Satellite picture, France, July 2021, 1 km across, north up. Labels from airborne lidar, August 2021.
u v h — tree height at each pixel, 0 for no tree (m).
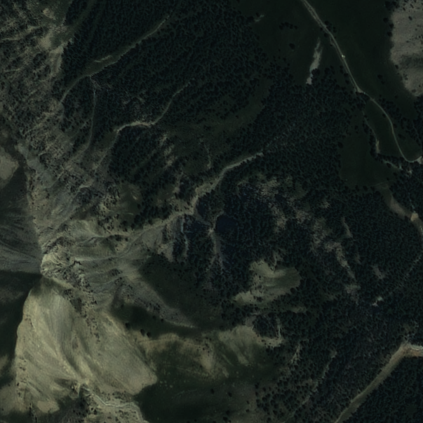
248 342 0
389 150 0
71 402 0
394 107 16
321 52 0
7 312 0
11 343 0
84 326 0
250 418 0
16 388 0
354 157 0
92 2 0
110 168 6
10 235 0
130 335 0
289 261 19
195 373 0
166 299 0
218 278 11
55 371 0
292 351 8
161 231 0
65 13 0
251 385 0
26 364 0
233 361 0
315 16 0
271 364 0
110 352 0
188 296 0
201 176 11
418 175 21
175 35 17
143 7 10
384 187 0
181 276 6
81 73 15
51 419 0
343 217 17
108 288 0
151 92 17
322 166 23
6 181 0
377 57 0
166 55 11
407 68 0
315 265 10
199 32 21
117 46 11
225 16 17
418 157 0
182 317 0
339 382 10
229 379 0
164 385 0
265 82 0
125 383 0
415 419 10
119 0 16
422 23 0
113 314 0
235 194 7
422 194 24
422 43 0
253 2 0
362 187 0
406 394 9
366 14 0
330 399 7
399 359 0
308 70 0
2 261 0
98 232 0
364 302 10
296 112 19
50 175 0
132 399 0
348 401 17
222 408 0
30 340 0
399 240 17
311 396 7
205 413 0
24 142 0
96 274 0
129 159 9
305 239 16
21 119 6
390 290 13
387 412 15
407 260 8
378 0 0
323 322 21
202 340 0
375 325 11
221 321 0
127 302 0
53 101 7
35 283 0
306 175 25
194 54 13
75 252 0
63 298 0
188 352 0
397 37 0
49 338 0
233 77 24
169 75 18
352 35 0
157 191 18
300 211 22
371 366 8
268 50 0
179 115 9
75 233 0
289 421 0
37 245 0
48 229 0
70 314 0
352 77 0
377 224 14
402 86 0
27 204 0
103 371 0
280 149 16
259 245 14
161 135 12
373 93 0
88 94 14
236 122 0
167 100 19
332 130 8
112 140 0
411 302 13
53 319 0
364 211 21
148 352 0
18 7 9
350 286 13
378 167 0
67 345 0
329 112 20
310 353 18
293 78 20
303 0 0
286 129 9
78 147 11
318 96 10
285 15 0
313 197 7
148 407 0
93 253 0
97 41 13
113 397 0
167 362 0
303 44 0
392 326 15
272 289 0
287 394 19
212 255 12
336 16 0
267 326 11
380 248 12
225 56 12
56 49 0
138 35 16
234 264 18
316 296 14
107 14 16
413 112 0
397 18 0
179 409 0
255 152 12
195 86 15
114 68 10
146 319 0
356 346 16
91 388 0
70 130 11
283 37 0
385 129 0
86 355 0
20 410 0
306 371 13
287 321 12
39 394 0
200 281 17
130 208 0
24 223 0
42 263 0
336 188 19
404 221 12
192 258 20
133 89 18
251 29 16
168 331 0
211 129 11
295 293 24
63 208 0
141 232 0
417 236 15
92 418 0
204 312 0
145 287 0
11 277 0
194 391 0
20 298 0
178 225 0
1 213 0
